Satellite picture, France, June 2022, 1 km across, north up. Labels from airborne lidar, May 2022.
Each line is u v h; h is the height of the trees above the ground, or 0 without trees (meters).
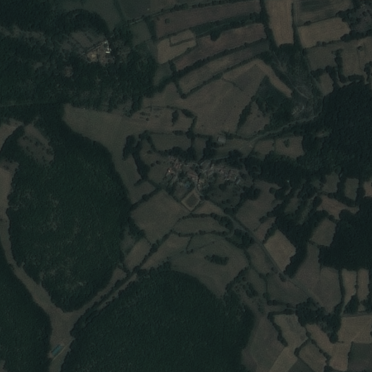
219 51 0
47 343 15
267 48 0
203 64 9
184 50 0
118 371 8
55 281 6
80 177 8
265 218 10
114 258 8
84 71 9
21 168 12
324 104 14
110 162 15
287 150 0
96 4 0
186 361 8
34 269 12
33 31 12
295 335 0
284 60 8
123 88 8
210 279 0
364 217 18
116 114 0
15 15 18
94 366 6
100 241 8
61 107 14
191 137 14
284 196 11
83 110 0
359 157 11
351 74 0
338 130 8
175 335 10
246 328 10
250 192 12
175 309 8
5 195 0
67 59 8
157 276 10
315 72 13
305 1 0
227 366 9
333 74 19
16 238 12
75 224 6
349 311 12
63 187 10
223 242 0
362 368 0
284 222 18
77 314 0
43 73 9
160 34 0
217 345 10
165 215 0
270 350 0
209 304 9
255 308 0
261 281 0
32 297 8
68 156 11
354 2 7
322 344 0
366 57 0
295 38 9
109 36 9
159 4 0
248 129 0
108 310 13
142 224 0
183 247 0
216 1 8
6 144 15
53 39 6
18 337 9
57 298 14
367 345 0
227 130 0
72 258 8
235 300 9
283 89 0
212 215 14
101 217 11
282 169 19
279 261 0
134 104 10
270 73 0
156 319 7
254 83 0
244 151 0
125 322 6
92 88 8
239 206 14
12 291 10
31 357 11
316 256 0
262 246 0
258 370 0
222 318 10
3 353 7
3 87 9
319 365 0
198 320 10
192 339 7
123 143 0
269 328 0
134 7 0
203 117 0
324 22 0
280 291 0
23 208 7
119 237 7
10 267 10
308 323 14
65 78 8
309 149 13
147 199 17
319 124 10
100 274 12
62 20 13
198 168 10
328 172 12
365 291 0
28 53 16
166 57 0
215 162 6
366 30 0
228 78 0
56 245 7
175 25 0
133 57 10
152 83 12
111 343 9
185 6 12
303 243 17
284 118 7
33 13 13
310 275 0
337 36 0
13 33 7
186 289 9
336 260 15
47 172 8
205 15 0
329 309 0
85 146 15
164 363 8
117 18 0
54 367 0
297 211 10
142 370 8
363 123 10
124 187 13
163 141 0
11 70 14
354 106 13
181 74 12
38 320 10
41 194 7
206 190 7
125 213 14
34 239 7
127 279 8
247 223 0
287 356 0
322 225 0
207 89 0
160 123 0
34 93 8
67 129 20
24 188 7
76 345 12
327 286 0
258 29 0
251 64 0
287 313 12
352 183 0
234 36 0
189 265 0
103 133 0
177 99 0
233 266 0
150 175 0
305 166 14
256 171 16
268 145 0
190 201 0
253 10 0
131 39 8
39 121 8
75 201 6
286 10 0
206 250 0
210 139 11
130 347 6
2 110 8
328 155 10
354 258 17
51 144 9
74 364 11
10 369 9
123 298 13
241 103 0
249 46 7
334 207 0
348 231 21
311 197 14
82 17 11
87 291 10
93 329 9
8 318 6
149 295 9
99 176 7
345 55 0
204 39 0
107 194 11
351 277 0
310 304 13
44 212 9
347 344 0
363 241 17
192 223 0
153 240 0
